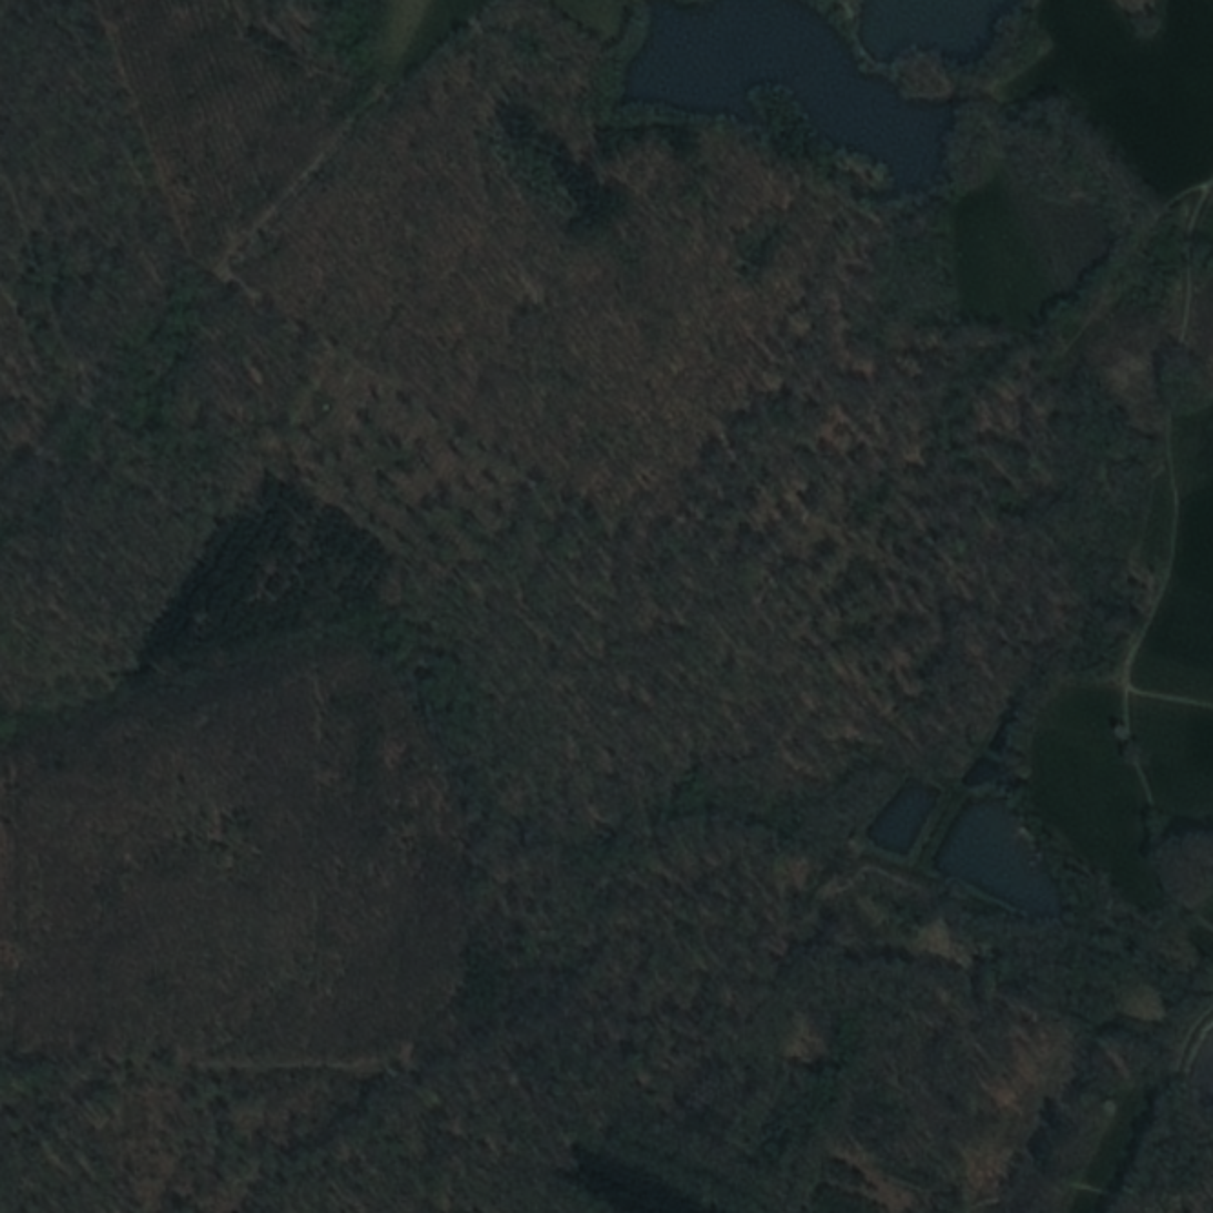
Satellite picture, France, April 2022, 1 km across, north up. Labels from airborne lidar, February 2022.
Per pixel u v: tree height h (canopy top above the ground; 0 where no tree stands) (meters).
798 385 27
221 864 10
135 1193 28
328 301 15
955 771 20
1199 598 0
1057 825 0
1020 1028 29
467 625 28
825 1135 28
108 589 21
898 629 0
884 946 0
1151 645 0
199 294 22
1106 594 16
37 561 25
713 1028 29
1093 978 19
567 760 23
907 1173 27
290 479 9
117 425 27
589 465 19
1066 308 17
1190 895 27
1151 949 22
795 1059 21
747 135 13
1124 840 0
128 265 29
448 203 22
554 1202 27
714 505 27
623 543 14
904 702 30
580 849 23
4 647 23
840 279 27
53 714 17
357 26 19
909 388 31
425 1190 25
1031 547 30
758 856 25
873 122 0
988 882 0
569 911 25
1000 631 32
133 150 31
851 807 19
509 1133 30
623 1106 29
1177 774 0
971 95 23
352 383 0
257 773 10
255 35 12
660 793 29
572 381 21
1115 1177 0
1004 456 31
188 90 6
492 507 0
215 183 6
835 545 0
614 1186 11
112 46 28
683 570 30
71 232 20
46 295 19
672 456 16
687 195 17
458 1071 30
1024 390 31
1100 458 25
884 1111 26
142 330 27
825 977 31
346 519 16
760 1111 25
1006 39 22
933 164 0
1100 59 0
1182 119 0
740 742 29
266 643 13
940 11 0
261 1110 28
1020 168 25
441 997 9
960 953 0
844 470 28
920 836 0
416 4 0
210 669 15
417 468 0
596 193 16
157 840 10
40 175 29
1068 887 23
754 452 29
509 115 22
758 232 13
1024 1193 22
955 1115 24
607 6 0
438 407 0
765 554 27
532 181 18
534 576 24
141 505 27
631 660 26
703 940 30
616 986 30
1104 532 20
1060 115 28
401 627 26
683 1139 26
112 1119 30
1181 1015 18
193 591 18
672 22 0
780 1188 24
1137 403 0
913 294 27
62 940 10
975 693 29
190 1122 0
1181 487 0
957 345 27
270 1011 10
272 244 19
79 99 27
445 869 7
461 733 26
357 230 16
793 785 19
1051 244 0
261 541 17
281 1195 29
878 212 25
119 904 10
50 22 25
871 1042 25
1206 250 24
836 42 0
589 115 18
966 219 0
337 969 7
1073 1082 0
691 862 22
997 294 0
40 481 30
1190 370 31
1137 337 0
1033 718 16
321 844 8
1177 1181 28
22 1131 25
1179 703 0
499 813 29
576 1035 30
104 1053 12
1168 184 0
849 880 0
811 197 19
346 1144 28
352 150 15
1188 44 0
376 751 6
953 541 32
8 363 30
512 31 18
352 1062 10
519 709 23
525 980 12
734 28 0
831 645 29
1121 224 28
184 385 25
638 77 0
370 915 10
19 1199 30
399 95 12
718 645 26
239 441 24
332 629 24
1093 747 0
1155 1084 25
